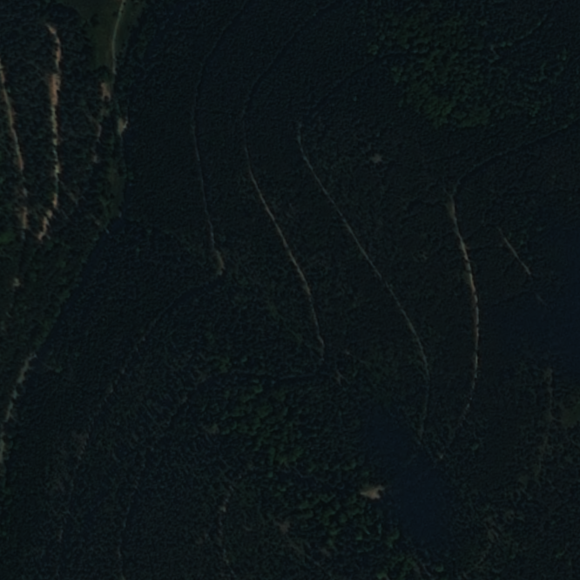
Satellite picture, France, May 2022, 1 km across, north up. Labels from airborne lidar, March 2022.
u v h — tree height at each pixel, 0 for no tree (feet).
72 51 80
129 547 81
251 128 51
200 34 73
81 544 54
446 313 30
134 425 26
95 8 0
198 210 54
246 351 106
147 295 73
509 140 69
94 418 24
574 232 64
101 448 24
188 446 24
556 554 55
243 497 24
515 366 31
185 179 60
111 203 20
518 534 55
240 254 91
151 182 58
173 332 24
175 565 69
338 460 104
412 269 34
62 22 116
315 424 97
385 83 77
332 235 44
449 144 79
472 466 52
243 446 67
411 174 66
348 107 70
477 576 19
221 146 47
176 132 61
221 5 68
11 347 63
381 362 19
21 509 58
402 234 19
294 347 75
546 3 75
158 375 28
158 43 81
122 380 100
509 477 34
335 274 36
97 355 52
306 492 85
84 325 72
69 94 93
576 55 72
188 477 94
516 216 74
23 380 0
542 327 50
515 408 39
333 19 62
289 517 36
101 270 64
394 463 63
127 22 0
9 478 80
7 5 81
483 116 86
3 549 47
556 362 45
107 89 0
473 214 51
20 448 59
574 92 82
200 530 68
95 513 86
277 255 41
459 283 25
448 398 22
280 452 72
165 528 81
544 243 60
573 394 44
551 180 56
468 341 38
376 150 46
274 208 99
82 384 52
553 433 34
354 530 140
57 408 42
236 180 45
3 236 106
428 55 91
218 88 70
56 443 25
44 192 85
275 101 62
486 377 46
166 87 78
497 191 76
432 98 91
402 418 94
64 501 60
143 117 59
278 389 98
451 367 29
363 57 70
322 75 79
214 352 88
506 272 46
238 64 80
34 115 105
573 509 28
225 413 65
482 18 96
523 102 77
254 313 92
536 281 52
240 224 57
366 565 117
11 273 66
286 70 74
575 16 64
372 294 43
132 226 89
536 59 63
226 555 66
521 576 48
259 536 27
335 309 28
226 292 37
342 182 22
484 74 98
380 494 0
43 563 85
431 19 97
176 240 57
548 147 72
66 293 67
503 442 33
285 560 23
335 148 49
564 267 62
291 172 41
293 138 44
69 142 97
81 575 82
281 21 70
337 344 49
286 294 43
